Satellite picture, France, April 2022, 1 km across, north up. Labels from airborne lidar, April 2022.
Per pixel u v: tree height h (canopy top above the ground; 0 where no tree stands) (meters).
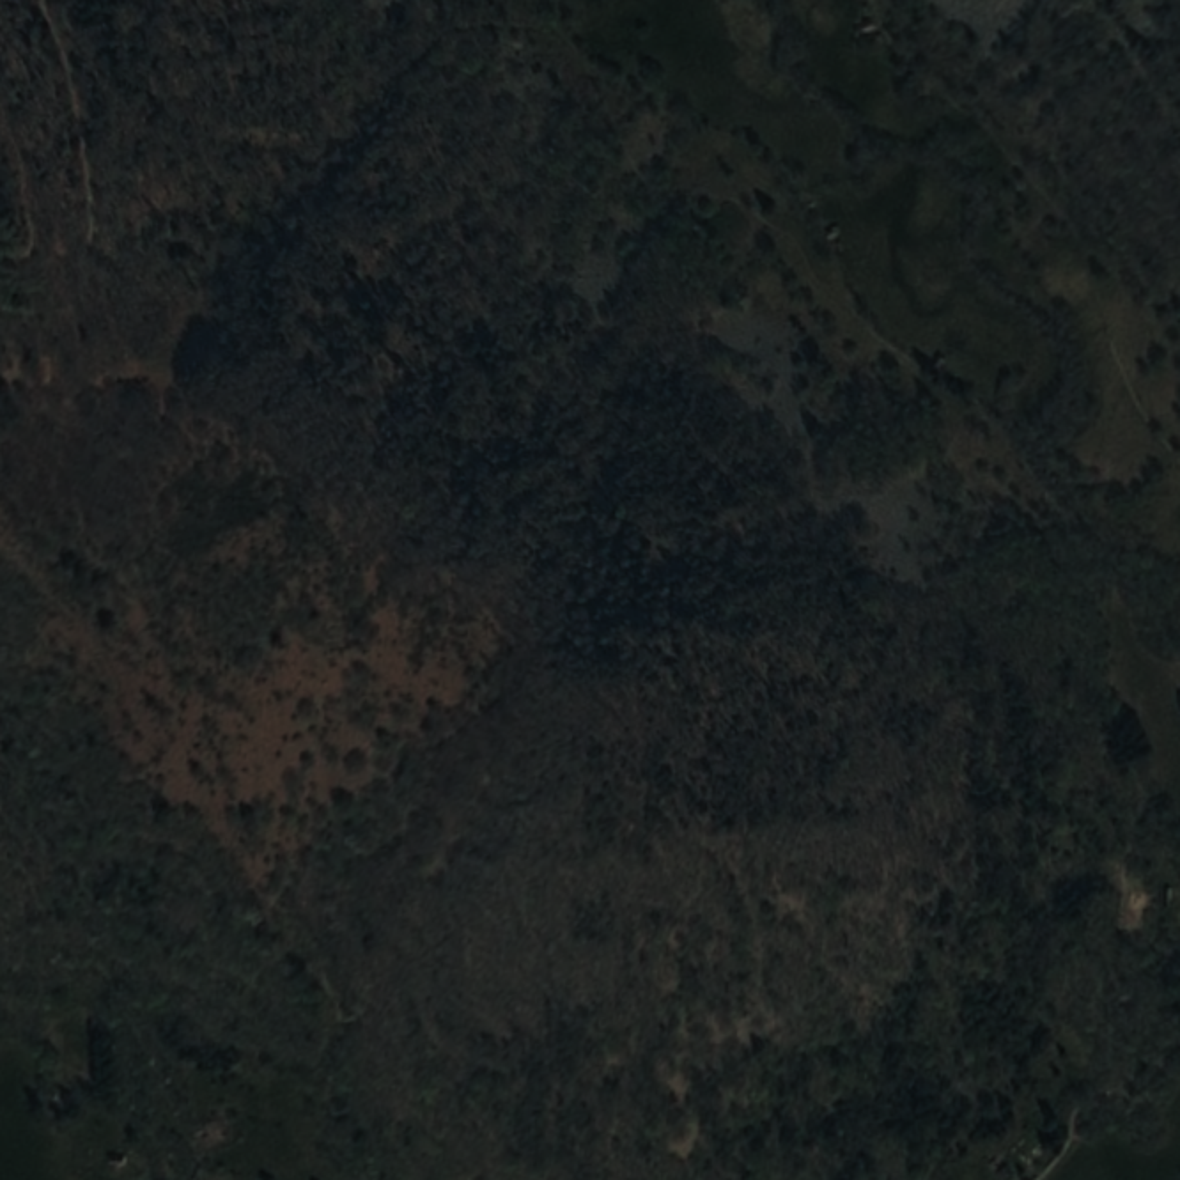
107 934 26
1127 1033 27
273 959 15
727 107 0
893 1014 22
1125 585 16
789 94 0
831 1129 25
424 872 14
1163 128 28
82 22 35
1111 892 14
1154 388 0
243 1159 0
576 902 18
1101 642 17
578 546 37
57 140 28
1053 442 18
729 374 20
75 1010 10
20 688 12
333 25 23
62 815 24
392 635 0
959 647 26
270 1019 27
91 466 15
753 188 0
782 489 32
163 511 15
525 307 33
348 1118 25
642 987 19
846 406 16
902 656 34
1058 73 20
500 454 41
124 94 40
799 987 9
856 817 20
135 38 34
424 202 38
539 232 23
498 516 33
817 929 18
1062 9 16
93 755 7
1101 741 26
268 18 31
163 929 23
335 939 26
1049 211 0
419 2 22
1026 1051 12
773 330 0
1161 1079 15
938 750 27
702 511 32
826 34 0
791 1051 7
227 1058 26
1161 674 0
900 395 21
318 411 33
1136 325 0
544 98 22
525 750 14
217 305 26
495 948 18
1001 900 20
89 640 0
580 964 19
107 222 20
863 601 29
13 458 18
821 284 0
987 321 0
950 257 0
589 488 40
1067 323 16
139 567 8
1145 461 0
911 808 27
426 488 38
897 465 17
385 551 13
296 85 28
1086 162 20
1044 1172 12
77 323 10
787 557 34
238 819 19
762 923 18
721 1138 24
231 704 12
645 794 21
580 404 35
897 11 16
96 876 24
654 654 13
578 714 20
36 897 19
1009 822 24
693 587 31
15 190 17
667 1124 26
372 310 26
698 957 18
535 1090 21
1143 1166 0
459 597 18
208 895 19
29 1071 0
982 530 9
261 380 32
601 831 20
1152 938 7
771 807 26
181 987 7
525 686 20
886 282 0
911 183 0
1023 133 16
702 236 22
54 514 15
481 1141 23
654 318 19
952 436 12
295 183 48
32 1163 0
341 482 21
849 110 21
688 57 0
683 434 30
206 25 31
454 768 16
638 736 25
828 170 0
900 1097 29
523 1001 21
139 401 19
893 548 0
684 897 18
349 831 23
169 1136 9
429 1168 23
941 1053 23
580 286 0
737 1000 22
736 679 30
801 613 19
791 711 31
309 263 35
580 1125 25
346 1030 9
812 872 23
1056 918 26
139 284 38
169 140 37
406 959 24
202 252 30
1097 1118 20
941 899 9
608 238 13
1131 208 24
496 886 12
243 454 8
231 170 38
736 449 32
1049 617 23
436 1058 26
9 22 17
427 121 32
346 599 5
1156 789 18
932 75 18
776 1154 23
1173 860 17
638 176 8
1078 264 0
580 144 24
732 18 0
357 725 18
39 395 18
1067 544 24
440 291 28
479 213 41
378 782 12
